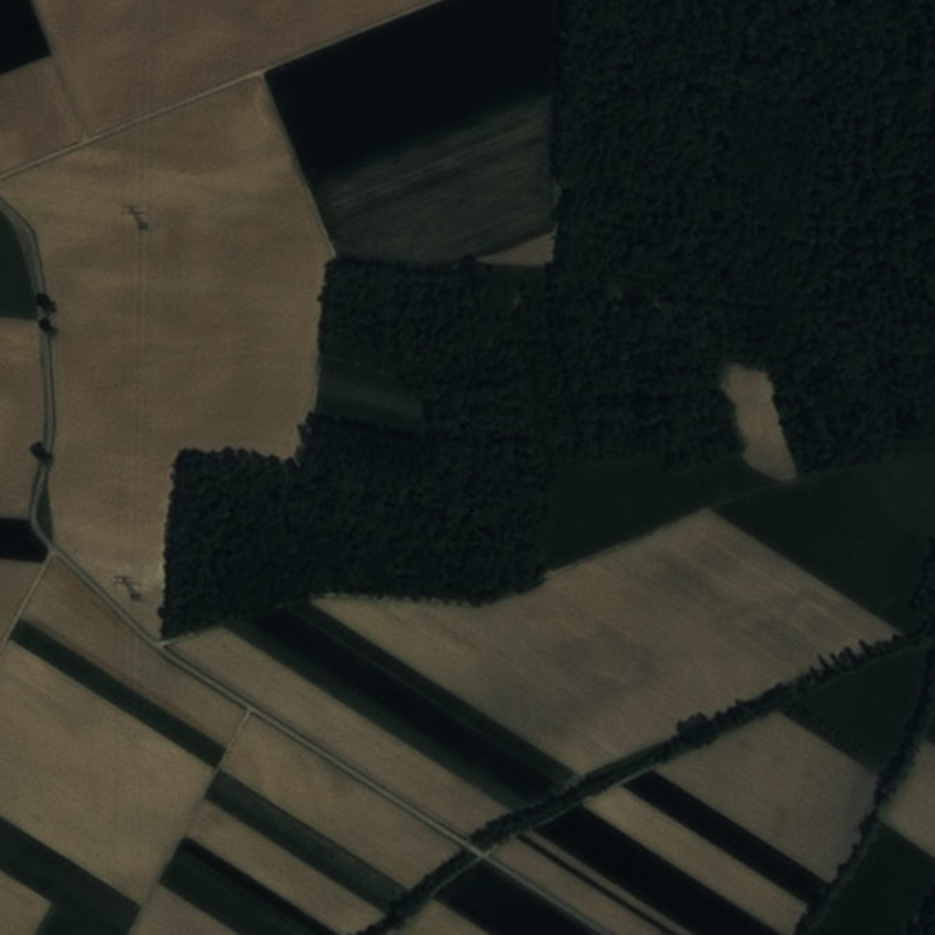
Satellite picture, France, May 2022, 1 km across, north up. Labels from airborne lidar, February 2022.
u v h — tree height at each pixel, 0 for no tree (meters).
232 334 0
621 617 0
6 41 0
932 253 24
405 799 0
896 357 24
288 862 0
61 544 0
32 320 0
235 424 0
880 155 26
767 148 31
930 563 12
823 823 0
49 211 0
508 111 0
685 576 0
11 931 0
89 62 0
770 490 0
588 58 27
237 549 29
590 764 0
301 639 0
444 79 0
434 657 0
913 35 0
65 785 0
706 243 25
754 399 0
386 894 0
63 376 0
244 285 0
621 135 29
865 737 0
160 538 0
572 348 21
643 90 27
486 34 0
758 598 0
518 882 0
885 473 0
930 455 0
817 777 0
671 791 0
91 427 0
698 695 0
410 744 0
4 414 0
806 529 0
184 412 0
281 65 0
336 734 0
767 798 0
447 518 29
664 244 31
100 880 0
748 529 0
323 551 28
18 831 0
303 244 0
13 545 0
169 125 0
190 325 0
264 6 0
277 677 0
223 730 0
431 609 0
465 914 0
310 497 25
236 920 0
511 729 0
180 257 0
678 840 0
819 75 27
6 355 0
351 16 0
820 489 0
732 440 29
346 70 0
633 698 0
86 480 0
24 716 0
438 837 0
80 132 0
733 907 0
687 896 0
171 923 0
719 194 30
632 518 0
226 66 0
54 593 0
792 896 0
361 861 0
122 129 0
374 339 25
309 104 0
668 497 0
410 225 0
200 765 0
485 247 0
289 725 0
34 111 0
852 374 25
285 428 0
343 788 0
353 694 0
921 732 17
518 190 0
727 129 27
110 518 0
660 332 29
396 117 0
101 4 0
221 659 0
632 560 0
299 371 0
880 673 0
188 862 0
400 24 0
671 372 32
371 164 0
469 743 0
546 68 0
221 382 0
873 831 15
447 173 0
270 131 0
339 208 0
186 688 0
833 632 0
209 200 0
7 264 0
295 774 0
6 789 0
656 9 32
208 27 0
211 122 0
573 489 0
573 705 0
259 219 0
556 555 0
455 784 0
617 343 26
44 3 0
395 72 0
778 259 25
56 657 0
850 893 0
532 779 0
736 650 0
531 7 0
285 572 25
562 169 23
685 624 0
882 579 0
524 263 0
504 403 23
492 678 0
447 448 29
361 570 23
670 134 35
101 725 0
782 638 0
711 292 26
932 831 0
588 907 0
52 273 0
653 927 0
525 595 0
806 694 10
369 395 0
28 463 0
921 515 0
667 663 0
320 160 0
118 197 0
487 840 15
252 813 0
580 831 0
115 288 0
